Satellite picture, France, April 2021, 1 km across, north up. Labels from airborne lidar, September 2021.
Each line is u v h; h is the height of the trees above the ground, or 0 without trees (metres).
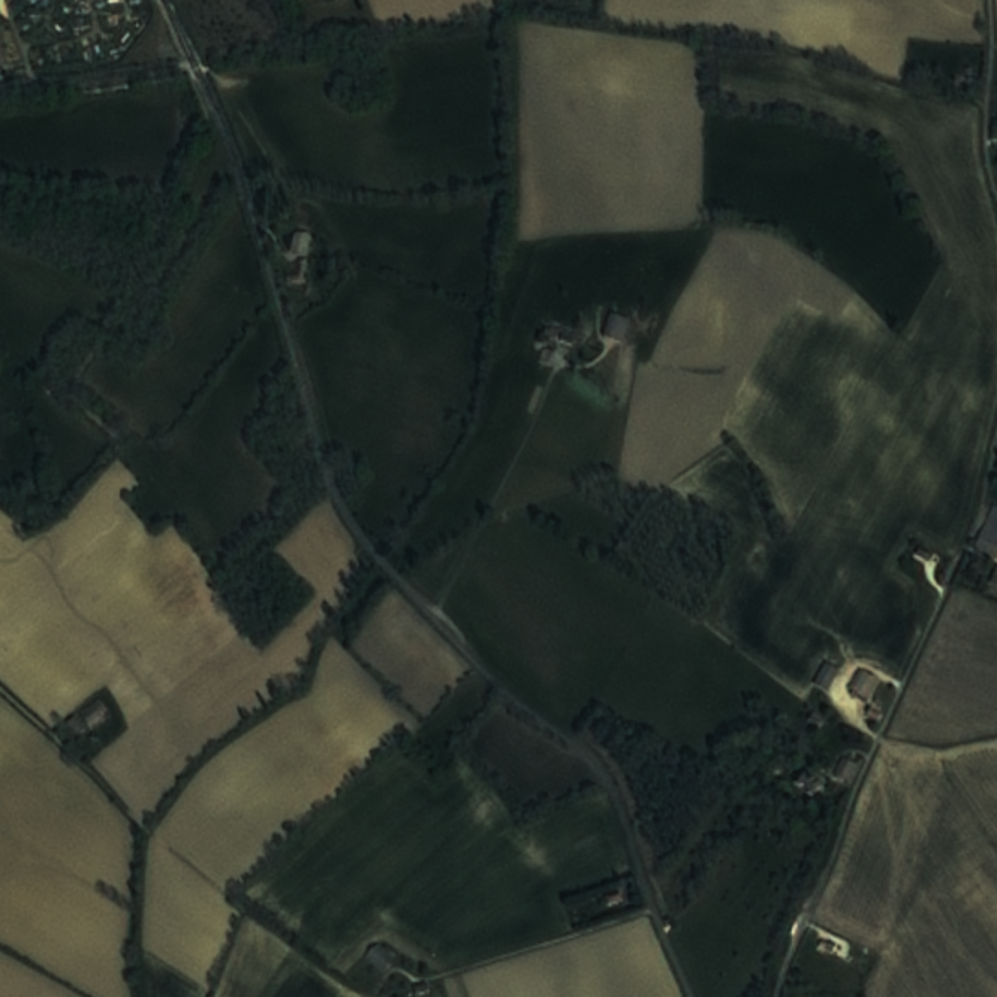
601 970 0
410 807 0
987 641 0
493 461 0
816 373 0
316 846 0
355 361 0
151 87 19
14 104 20
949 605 0
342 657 0
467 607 0
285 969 0
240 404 0
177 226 21
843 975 0
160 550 0
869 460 0
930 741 0
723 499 0
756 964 0
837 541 0
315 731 0
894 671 0
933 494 0
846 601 0
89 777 0
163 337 24
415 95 0
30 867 0
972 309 0
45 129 0
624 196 0
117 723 0
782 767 22
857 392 0
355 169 0
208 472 0
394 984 9
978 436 0
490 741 0
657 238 0
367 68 22
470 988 0
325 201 20
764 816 18
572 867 0
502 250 25
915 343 0
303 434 21
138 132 0
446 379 0
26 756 0
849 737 7
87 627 0
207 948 0
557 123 0
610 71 0
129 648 0
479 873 0
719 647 0
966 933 0
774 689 0
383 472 0
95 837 0
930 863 0
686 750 0
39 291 0
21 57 0
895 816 0
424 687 0
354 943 0
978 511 0
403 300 0
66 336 19
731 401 0
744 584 0
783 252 0
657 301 0
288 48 20
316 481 19
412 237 0
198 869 0
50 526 18
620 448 0
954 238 0
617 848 0
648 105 0
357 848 0
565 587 0
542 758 0
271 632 14
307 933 0
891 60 0
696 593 27
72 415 17
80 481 9
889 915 0
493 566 0
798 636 0
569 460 0
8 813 0
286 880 0
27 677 0
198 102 12
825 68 15
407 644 0
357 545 0
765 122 9
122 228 15
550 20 17
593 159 0
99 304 0
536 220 0
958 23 0
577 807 11
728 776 20
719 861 19
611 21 14
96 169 0
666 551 30
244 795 0
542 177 0
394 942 0
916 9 0
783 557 0
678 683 0
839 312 0
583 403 0
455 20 10
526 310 0
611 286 0
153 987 0
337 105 17
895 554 0
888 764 0
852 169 0
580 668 0
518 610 0
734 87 0
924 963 0
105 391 0
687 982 0
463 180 0
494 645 0
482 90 0
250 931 0
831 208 0
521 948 0
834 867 0
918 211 19
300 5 16
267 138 0
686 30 12
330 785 0
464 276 0
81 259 14
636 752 18
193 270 12
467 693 0
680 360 0
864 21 0
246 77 0
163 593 0
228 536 0
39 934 0
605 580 0
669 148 0
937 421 0
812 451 0
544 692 0
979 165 0
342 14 0
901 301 0
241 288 0
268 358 0
